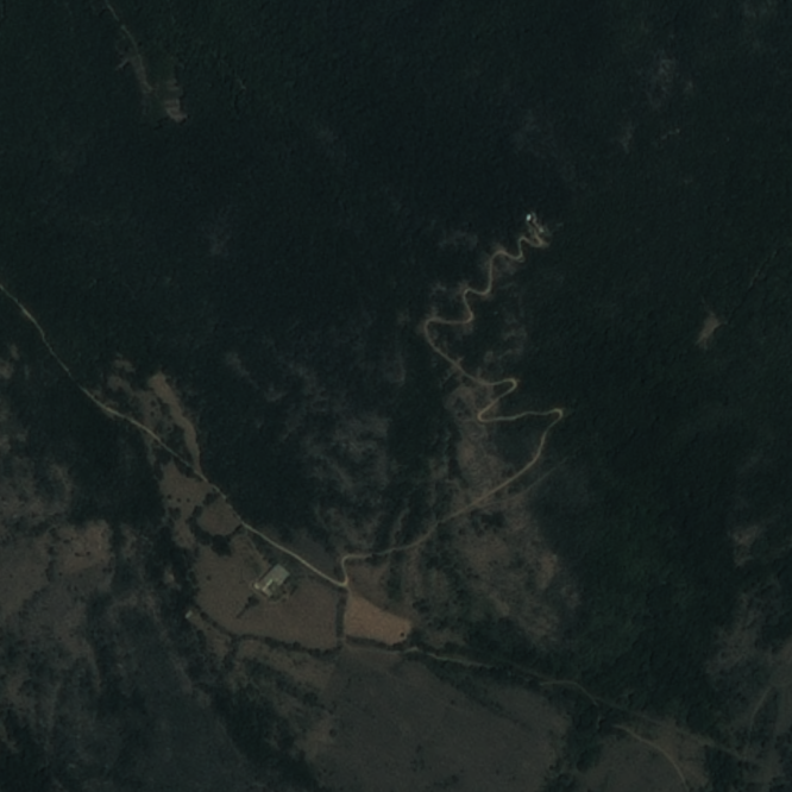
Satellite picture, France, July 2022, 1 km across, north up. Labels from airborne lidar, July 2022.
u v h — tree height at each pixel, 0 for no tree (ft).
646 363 50
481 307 26
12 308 23
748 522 21
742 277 29
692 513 56
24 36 31
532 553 0
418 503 29
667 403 52
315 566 0
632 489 26
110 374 21
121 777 25
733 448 24
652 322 31
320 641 0
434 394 29
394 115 42
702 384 43
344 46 31
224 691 23
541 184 24
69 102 23
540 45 27
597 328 49
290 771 19
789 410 26
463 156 31
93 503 21
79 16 20
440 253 30
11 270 22
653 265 31
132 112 29
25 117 22
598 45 25
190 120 33
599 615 23
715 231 28
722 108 24
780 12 25
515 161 25
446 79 18
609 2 20
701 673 23
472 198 39
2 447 0
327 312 28
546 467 21
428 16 27
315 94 31
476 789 0
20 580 0
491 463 0
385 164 41
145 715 20
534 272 19
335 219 28
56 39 20
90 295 32
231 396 20
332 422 19
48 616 0
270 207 34
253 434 21
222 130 29
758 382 21
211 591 0
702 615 33
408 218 24
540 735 0
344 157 22
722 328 24
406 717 0
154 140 37
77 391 22
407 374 29
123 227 19
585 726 24
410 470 18
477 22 20
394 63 20
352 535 0
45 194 26
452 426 24
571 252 30
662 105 18
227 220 26
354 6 29
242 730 32
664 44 34
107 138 26
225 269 23
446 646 22
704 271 32
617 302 27
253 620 0
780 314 27
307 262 31
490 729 0
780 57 27
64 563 0
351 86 39
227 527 0
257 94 34
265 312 27
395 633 0
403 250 27
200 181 29
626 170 37
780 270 34
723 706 26
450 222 26
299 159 33
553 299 20
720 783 37
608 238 31
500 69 18
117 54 34
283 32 39
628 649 21
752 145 28
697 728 41
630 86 19
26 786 27
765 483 31
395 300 23
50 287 29
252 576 0
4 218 33
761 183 31
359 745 0
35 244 38
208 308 22
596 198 31
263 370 26
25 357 25
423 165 38
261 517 20
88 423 35
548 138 21
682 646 30
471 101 22
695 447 54
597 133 27
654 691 19
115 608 0
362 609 0
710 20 21
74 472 20
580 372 50
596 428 37
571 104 21
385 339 22
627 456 67
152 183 28
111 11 28
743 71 29
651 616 31
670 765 0
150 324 32
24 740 27
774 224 31
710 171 21
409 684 0
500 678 23
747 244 37
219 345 24
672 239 32
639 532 47
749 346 26
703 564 50
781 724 0
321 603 0
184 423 0
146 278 24
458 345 20
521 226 21
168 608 27
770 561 19
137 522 28
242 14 30
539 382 24
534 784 0
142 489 31
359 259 27
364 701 0
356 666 0
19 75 27
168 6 30
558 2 27
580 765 36
